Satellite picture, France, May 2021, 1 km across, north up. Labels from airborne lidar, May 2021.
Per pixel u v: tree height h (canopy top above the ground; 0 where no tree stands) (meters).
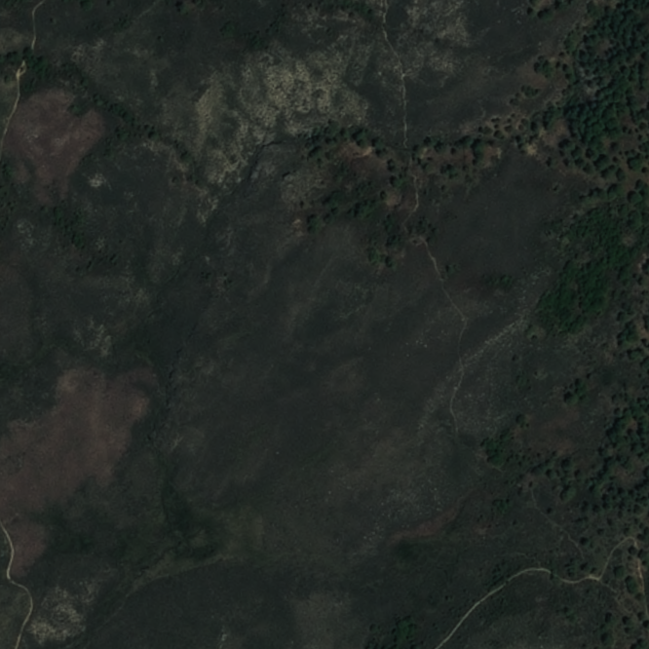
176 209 0
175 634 0
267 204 0
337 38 0
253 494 0
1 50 0
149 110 0
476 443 0
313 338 0
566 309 18
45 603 0
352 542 0
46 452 0
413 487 0
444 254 0
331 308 0
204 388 0
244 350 0
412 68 0
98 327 0
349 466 0
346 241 0
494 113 0
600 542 0
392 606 0
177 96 0
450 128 0
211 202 0
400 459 0
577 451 0
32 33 0
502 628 0
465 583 0
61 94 0
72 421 0
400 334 0
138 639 0
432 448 0
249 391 0
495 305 0
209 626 0
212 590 0
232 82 0
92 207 0
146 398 0
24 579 0
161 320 0
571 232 10
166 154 0
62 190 0
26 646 0
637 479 0
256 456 0
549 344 0
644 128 14
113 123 0
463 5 0
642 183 15
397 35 0
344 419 0
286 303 0
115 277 0
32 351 0
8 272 0
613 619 26
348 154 0
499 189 0
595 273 15
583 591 0
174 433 0
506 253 0
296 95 0
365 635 0
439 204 0
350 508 0
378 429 0
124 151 0
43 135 0
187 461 0
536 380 0
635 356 17
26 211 0
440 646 0
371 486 0
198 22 0
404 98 0
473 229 0
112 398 0
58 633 0
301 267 0
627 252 10
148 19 0
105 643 0
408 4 0
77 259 0
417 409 0
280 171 0
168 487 0
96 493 0
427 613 0
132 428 0
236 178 0
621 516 9
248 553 0
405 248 0
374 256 17
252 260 0
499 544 0
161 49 0
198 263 0
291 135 0
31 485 0
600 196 22
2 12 0
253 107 0
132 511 0
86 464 0
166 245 0
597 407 0
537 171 0
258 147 0
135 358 0
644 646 20
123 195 0
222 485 0
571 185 0
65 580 0
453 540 0
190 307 0
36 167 0
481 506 0
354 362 0
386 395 0
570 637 0
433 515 0
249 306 0
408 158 0
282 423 0
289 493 0
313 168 0
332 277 0
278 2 0
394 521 0
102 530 0
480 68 0
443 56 0
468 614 0
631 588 15
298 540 0
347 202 0
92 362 0
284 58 0
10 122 0
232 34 8
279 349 0
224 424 0
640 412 17
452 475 0
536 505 0
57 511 0
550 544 0
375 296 0
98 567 0
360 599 0
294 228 0
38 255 0
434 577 0
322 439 0
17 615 0
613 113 19
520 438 0
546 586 0
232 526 0
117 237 0
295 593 0
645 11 16
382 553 0
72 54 0
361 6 6
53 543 0
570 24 0
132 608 0
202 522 0
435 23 0
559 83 0
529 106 0
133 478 0
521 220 0
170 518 0
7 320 0
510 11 0
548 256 0
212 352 0
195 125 0
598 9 17
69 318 0
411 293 0
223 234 0
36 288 0
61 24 0
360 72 0
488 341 0
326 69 0
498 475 0
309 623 0
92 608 0
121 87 0
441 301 0
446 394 0
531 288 0
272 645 0
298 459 0
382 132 0
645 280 19
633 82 16
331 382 0
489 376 0
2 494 0
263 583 0
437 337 0
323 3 10
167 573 0
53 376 0
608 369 0
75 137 0
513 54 0
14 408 0
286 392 0
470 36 0
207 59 0
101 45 0
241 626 0
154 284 0
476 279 0
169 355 0
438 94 0
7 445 0
